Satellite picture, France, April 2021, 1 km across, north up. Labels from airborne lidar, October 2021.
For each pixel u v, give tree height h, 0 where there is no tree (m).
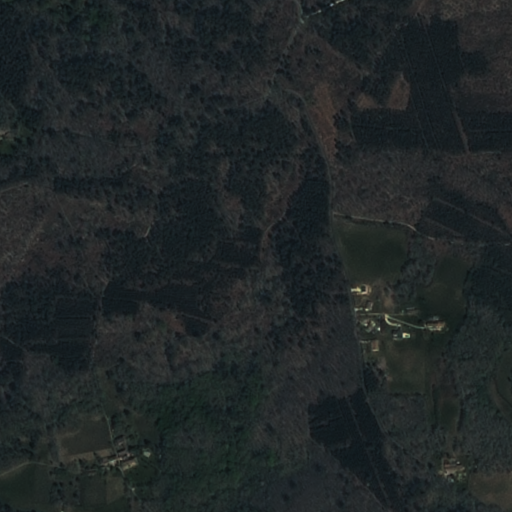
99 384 12
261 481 12
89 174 15
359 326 10
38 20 12
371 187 7
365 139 10
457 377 19
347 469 6
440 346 0
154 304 14
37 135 15
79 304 8
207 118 16
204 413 25
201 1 22
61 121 16
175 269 16
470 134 12
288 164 0
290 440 17
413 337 0
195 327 9
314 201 21
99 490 0
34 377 10
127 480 8
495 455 10
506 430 21
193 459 21
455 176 9
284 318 15
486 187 7
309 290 12
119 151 17
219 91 17
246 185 0
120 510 0
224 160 0
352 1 9
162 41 22
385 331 15
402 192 12
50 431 18
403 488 9
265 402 21
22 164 10
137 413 15
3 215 11
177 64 14
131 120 25
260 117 20
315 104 6
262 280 13
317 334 12
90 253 10
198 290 7
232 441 23
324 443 11
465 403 14
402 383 0
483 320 20
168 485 15
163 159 26
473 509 19
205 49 16
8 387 24
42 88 12
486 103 0
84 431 0
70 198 29
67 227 9
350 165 10
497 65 6
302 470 13
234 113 15
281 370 23
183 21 19
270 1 14
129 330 8
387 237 0
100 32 23
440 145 10
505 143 11
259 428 22
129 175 8
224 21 28
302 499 15
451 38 15
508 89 8
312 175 16
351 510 14
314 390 13
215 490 25
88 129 8
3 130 19
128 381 16
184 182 12
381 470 11
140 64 9
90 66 29
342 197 11
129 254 21
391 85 27
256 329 6
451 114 11
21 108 22
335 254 13
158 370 21
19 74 18
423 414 17
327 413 11
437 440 19
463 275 0
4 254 10
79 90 19
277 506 14
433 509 10
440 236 10
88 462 5
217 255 9
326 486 13
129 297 12
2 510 18
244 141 23
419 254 15
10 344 11
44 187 12
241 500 19
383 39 20
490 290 12
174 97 11
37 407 21
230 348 13
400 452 23
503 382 0
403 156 6
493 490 0
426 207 12
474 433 12
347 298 10
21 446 20
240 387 28
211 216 22
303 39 18
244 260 11
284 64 13
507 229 10
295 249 24
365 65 23
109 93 8
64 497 9
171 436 24
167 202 24
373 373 7
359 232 0
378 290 0
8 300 22
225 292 7
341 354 15
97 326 6
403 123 12
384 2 28
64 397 14
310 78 11
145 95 22
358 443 11
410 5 26
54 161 13
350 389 8
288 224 15
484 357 14
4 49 23
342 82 6
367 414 11
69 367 10
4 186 16
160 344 21
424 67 12
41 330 14
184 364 8
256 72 8
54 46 16
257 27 17
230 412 18
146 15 27
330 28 22
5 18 24
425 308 0
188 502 25
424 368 0
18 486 0
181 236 20
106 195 7
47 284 10
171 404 14
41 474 0
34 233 11
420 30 9
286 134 24
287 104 9
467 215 10
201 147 8
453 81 11
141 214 9
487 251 12
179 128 23
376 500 9
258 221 0
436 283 0
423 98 12
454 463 0
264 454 21
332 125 0
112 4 11
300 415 12
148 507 17
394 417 14
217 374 15
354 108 28
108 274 10
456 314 0
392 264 0
